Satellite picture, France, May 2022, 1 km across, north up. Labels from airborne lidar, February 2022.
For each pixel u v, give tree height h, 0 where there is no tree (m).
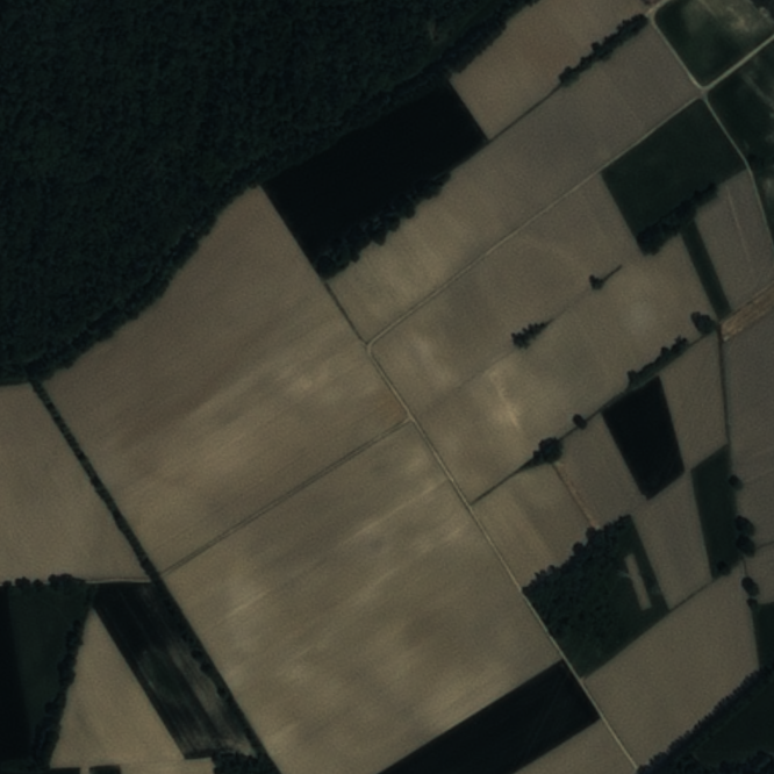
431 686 0
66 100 29
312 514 0
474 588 0
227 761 8
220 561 0
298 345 0
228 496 0
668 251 0
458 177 0
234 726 0
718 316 0
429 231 0
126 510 0
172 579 0
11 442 0
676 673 0
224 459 0
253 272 0
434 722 0
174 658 0
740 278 0
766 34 0
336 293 0
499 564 0
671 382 0
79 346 21
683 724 0
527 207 0
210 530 0
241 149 8
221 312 0
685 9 0
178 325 0
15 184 23
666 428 0
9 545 0
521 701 0
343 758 0
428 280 0
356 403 0
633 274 0
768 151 0
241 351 0
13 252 7
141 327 0
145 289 26
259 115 27
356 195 0
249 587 0
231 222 0
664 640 0
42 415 0
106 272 27
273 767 14
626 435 0
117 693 0
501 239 0
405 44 18
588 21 0
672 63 0
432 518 0
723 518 0
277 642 0
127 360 0
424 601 0
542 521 0
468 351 0
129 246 24
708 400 0
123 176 17
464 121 0
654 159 0
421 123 0
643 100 0
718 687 0
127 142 13
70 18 29
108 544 0
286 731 0
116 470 0
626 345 0
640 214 0
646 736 0
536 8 0
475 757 0
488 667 0
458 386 0
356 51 22
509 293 0
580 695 0
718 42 0
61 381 0
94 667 0
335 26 19
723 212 0
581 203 0
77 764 0
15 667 0
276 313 0
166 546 0
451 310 0
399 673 0
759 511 0
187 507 0
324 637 0
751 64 0
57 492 0
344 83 26
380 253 0
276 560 0
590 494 0
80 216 22
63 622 0
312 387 0
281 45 14
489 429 0
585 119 0
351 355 0
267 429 0
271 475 0
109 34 19
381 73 23
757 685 20
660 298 0
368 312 0
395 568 0
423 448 0
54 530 0
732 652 0
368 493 0
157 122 8
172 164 21
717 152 0
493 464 0
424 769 0
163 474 0
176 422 0
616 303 0
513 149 0
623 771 0
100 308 8
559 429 0
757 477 0
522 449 0
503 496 0
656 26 0
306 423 0
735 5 0
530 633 0
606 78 0
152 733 0
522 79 0
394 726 0
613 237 0
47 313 8
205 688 0
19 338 22
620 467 0
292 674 0
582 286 0
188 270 0
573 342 0
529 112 0
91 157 27
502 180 0
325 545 0
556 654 0
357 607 0
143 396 0
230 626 0
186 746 0
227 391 0
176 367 0
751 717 0
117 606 0
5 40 28
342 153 0
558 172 0
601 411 0
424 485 0
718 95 0
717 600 0
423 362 0
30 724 0
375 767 0
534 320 0
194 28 30
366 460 0
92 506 0
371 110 18
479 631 0
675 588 0
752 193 0
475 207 0
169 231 21
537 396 0
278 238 0
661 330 0
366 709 0
